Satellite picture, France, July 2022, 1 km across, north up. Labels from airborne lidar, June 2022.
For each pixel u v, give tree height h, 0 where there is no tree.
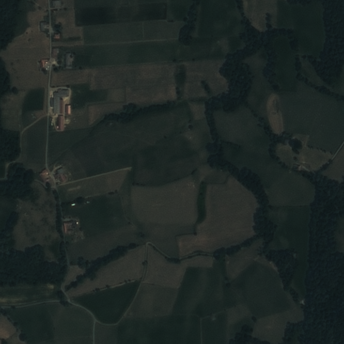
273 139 16
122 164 0
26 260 25
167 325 0
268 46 25
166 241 0
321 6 0
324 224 17
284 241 0
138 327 0
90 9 0
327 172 0
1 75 22
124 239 0
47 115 0
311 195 0
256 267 0
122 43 0
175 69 0
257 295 0
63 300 11
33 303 0
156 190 0
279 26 0
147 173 0
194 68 0
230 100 24
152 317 0
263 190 20
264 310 0
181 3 0
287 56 0
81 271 0
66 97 0
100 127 0
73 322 0
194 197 0
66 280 0
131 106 20
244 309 0
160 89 0
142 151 0
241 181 15
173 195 0
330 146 0
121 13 0
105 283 0
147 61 0
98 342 0
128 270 0
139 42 0
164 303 0
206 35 0
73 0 0
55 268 26
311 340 33
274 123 0
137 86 0
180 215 0
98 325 0
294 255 22
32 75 0
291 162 0
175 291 0
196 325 0
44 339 0
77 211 0
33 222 0
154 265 0
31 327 0
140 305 0
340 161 0
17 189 29
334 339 22
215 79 0
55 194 14
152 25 0
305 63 0
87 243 0
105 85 0
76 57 0
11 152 8
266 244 18
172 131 0
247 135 0
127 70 0
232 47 0
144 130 0
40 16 0
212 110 19
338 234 0
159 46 0
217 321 0
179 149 0
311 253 21
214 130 21
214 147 24
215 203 0
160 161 0
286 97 0
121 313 0
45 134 0
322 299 32
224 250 17
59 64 7
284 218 0
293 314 0
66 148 0
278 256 23
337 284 28
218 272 0
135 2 0
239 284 0
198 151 0
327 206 19
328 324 26
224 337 0
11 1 24
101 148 0
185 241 0
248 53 20
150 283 0
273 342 0
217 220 0
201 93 0
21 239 0
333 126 0
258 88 0
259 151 0
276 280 0
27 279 22
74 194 0
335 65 28
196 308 0
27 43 0
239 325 0
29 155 0
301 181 0
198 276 0
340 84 0
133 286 0
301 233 0
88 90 0
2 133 25
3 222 0
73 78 0
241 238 0
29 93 0
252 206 0
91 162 0
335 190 32
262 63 0
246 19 10
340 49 24
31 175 24
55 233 0
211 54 0
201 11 0
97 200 0
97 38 0
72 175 0
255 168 0
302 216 0
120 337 0
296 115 0
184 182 0
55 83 0
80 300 0
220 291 0
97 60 0
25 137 0
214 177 0
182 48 0
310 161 0
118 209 0
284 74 0
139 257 0
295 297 15
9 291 0
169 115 0
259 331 0
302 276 0
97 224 0
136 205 0
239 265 0
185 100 0
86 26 0
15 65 0
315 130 0
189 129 5
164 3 0
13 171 8
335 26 32
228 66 22
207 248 0
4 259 24
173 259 10
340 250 0
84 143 0
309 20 0
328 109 0
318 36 0
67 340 0
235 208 0
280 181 0
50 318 0
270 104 0
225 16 0
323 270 30
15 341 0
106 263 19
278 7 0
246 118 0
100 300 0
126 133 0
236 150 0
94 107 0
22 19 0
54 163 0
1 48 15
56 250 0
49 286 0
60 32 12
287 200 0
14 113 0
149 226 0
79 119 0
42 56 0
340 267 26
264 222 21
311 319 27
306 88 0
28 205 0
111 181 0
